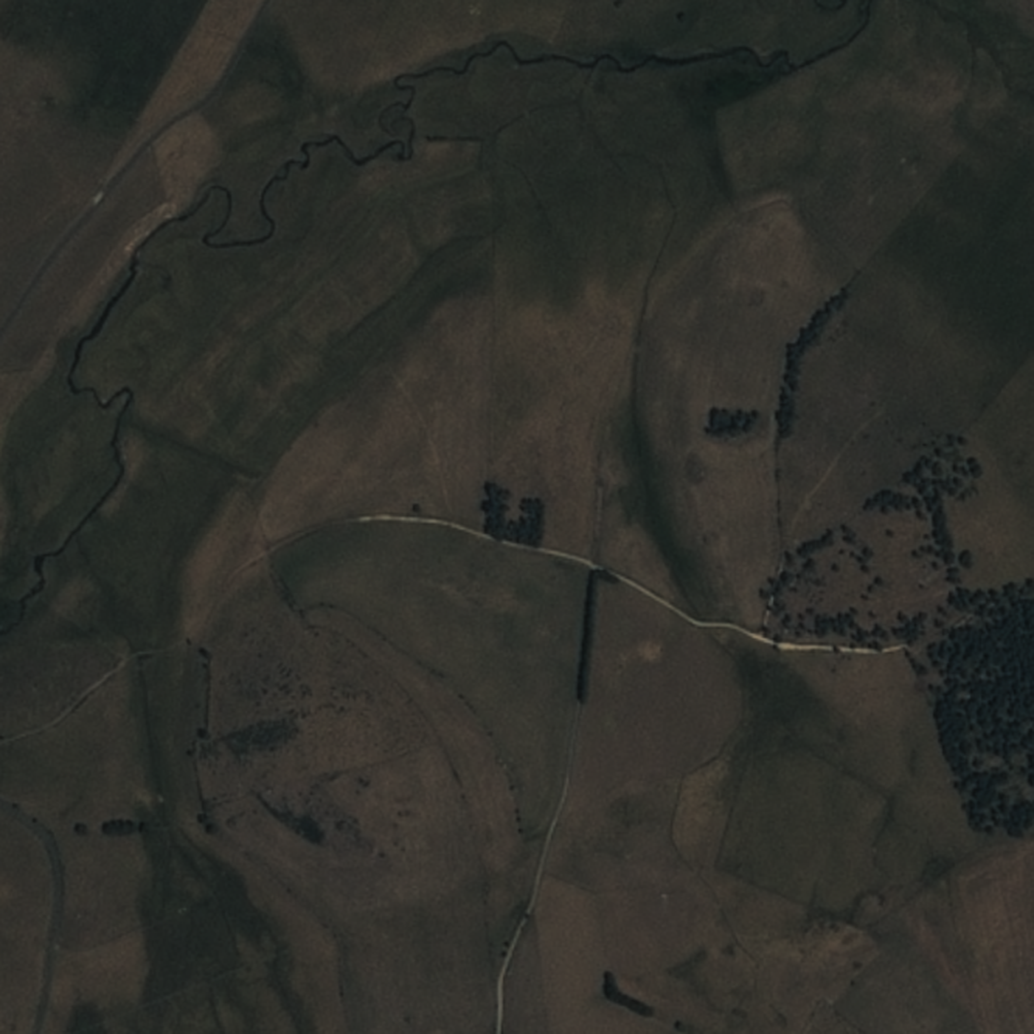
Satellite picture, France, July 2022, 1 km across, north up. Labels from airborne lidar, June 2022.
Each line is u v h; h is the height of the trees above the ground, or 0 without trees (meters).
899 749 0
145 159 0
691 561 0
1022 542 0
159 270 0
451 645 0
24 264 0
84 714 0
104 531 0
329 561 0
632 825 0
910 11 0
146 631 0
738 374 0
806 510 0
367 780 0
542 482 0
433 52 0
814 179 0
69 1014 0
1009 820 7
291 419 0
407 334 0
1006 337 0
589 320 0
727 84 0
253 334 0
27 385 0
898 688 0
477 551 0
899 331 0
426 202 0
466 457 0
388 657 0
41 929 0
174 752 0
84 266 0
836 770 0
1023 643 14
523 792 0
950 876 0
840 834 0
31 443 0
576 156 0
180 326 0
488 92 0
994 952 0
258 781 0
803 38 0
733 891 0
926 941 0
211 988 0
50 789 0
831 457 0
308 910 0
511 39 0
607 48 0
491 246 0
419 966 0
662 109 0
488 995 0
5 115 0
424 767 0
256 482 0
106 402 0
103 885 0
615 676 0
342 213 0
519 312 0
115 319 0
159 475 0
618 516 0
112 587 0
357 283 0
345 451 0
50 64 0
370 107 0
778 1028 0
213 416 0
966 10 0
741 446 0
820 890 0
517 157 0
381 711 0
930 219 0
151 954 0
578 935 0
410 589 0
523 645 0
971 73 0
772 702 0
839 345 0
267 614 0
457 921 0
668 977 0
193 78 0
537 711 0
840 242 0
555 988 0
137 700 0
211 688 0
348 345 0
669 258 0
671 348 0
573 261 0
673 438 0
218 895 0
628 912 0
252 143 0
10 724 0
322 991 0
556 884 0
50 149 0
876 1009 0
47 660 0
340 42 0
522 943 0
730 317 0
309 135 0
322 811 0
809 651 0
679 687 0
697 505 0
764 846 0
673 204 0
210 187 0
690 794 0
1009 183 0
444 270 0
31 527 0
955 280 0
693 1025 0
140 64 0
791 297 0
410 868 0
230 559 0
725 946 0
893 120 0
